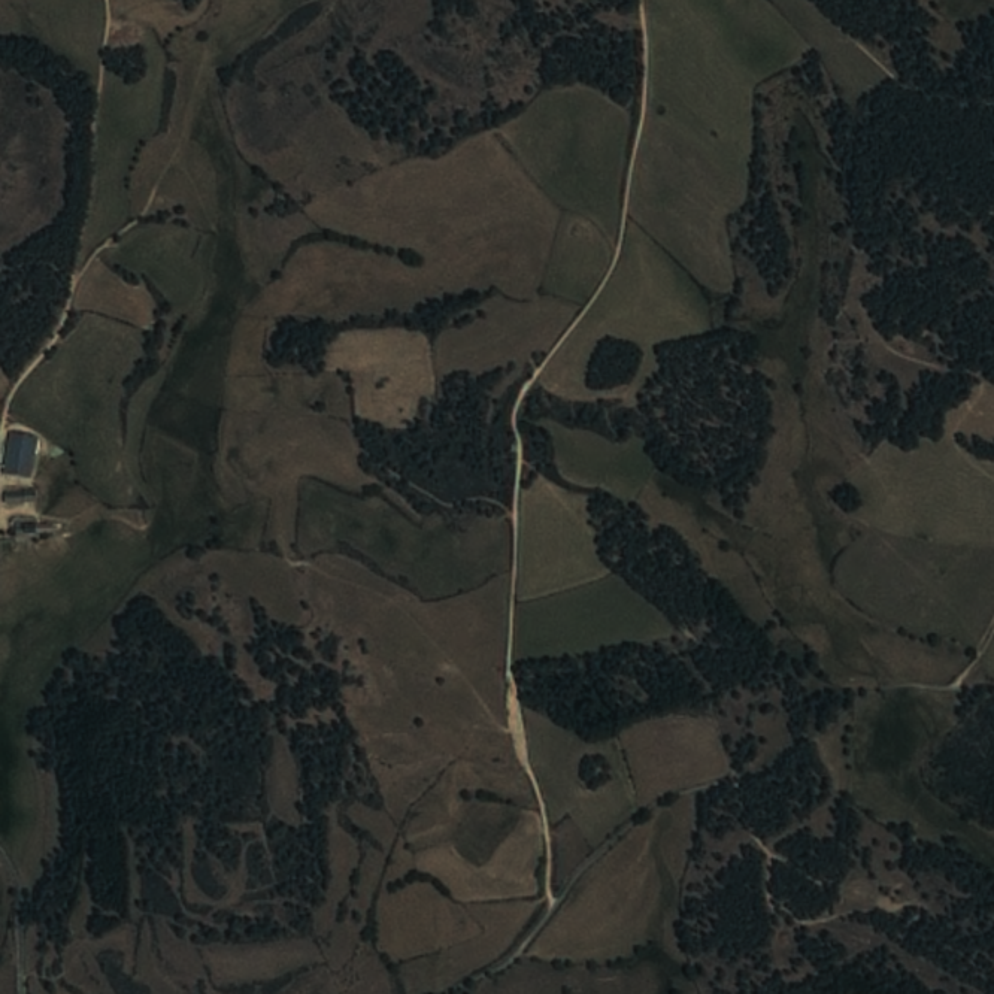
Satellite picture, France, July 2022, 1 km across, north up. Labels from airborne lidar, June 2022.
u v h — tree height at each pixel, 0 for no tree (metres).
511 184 0
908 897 0
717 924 19
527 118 0
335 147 0
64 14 0
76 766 18
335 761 15
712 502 0
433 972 0
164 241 0
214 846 14
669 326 0
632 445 0
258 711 17
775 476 0
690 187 0
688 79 0
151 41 0
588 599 0
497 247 0
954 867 18
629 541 20
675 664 15
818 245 0
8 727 0
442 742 0
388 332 0
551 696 20
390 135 12
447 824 0
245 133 0
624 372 16
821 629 0
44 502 0
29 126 0
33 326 19
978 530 0
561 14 16
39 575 0
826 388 0
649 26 0
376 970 0
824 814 0
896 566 0
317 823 19
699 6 0
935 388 18
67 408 0
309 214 0
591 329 0
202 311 0
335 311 0
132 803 16
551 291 0
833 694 19
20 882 0
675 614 6
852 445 0
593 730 28
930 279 18
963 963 15
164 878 0
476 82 0
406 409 0
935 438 14
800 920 10
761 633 14
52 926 16
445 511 0
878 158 19
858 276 0
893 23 20
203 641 0
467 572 0
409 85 18
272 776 0
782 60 0
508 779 0
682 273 0
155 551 0
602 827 0
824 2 19
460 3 10
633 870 0
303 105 0
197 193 0
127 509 0
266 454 0
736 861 17
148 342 11
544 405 8
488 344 0
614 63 17
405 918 0
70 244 14
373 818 0
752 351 16
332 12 0
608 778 12
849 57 0
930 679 0
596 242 0
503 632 0
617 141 0
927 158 20
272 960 0
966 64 23
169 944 0
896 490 0
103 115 0
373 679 0
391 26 0
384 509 0
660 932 0
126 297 0
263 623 9
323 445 0
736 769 12
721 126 0
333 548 0
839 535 0
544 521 0
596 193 0
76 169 16
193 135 0
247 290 0
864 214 17
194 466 0
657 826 0
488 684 0
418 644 0
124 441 0
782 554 0
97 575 0
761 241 13
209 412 0
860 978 16
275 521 0
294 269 0
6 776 0
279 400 0
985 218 18
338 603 0
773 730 0
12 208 0
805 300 0
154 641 18
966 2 0
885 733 0
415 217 0
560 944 0
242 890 0
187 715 11
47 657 0
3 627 0
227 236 0
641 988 0
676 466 24
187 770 10
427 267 0
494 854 0
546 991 0
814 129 0
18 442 0
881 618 0
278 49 0
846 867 13
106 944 0
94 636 0
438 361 0
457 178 0
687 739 0
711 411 17
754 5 0
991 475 0
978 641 0
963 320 12
